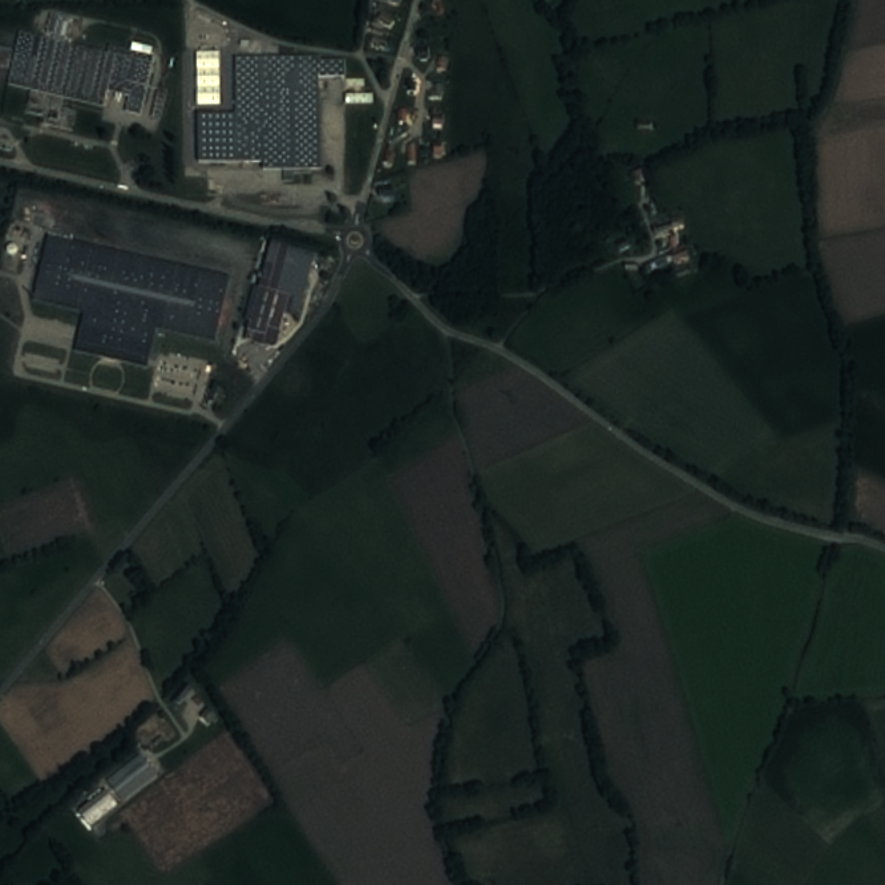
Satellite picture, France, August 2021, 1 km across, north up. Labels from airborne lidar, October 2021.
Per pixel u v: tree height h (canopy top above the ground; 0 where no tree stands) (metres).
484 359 0
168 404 0
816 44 0
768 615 0
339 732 0
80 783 18
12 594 0
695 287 0
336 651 0
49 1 6
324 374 0
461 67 0
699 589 0
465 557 0
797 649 0
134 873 0
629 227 13
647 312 0
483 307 11
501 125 0
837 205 0
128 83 0
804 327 0
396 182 0
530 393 0
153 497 0
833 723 0
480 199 12
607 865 0
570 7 16
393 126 0
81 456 0
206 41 0
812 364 0
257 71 0
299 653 0
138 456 0
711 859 0
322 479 0
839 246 0
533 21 0
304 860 0
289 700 0
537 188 21
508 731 0
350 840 0
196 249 0
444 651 0
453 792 16
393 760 0
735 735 0
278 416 0
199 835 0
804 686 0
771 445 0
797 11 0
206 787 0
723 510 0
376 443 17
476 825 18
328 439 0
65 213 0
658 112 0
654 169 21
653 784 0
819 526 14
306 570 0
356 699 0
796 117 18
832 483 0
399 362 0
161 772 0
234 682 0
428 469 0
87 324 0
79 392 0
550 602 0
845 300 0
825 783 0
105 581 0
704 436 0
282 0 0
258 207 0
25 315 0
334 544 0
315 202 0
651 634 0
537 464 0
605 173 20
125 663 0
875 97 0
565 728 0
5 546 0
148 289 0
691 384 0
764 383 0
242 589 6
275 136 0
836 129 0
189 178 0
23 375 0
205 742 0
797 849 0
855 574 0
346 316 0
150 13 0
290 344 0
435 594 0
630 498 0
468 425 0
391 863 0
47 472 0
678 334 0
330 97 0
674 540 0
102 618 0
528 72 0
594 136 17
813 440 0
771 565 0
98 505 0
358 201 0
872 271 0
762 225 0
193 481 0
